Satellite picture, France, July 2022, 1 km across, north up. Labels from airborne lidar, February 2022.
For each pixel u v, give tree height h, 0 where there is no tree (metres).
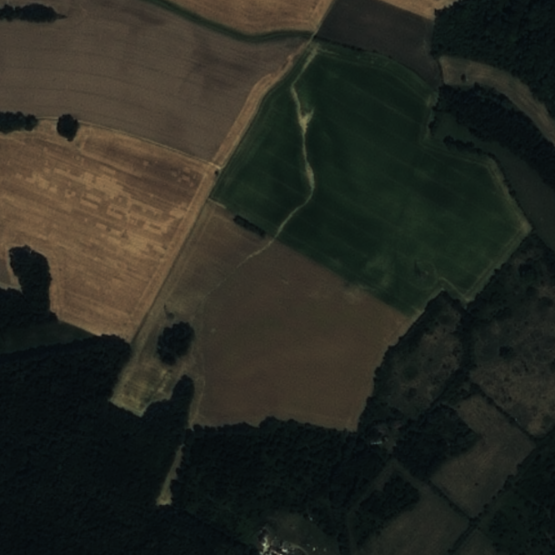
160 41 0
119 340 21
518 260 0
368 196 0
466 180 0
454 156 0
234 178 0
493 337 0
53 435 20
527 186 0
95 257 0
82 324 0
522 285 0
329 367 0
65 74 0
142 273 0
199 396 0
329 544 0
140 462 23
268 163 0
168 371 0
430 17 0
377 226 0
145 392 0
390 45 0
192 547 24
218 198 0
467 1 7
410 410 0
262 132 0
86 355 16
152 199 0
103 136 0
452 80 0
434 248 0
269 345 0
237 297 0
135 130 0
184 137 0
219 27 0
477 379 0
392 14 0
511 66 7
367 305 0
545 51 27
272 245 0
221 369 0
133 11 0
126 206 0
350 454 20
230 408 0
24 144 0
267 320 0
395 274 0
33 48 0
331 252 0
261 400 0
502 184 0
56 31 0
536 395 0
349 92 0
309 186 0
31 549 25
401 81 0
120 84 0
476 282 0
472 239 0
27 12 16
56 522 15
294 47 0
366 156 0
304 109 0
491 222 0
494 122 22
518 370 0
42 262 20
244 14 0
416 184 0
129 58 0
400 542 0
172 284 0
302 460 8
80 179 0
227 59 0
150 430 23
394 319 0
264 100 0
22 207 0
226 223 0
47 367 30
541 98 19
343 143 0
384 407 8
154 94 0
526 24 18
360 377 0
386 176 0
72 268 0
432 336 0
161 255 0
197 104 0
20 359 18
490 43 20
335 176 0
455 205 0
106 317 0
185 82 0
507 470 0
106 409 25
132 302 0
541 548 0
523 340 0
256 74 0
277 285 0
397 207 0
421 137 0
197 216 0
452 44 6
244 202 0
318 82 0
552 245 0
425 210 0
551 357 0
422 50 0
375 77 0
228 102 0
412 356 0
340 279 0
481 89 21
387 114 0
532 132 24
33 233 0
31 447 20
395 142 0
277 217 0
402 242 0
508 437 0
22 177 0
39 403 16
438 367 0
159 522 15
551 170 26
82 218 0
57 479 23
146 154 0
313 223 0
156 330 0
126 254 0
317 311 0
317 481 9
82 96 0
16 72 0
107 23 0
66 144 0
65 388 24
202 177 0
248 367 0
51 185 0
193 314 0
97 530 24
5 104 0
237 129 0
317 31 0
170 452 21
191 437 19
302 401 0
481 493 0
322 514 10
